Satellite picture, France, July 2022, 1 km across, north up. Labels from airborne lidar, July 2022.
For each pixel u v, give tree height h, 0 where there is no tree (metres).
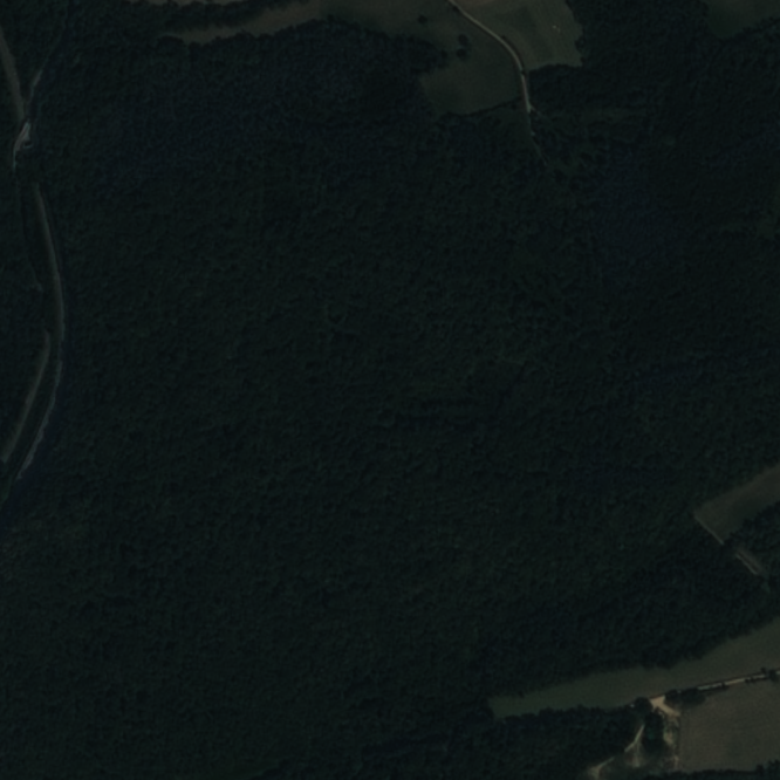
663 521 15
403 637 14
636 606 21
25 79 10
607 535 17
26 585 13
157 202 20
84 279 22
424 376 17
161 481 12
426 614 16
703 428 16
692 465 16
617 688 0
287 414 17
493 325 14
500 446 18
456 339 18
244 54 16
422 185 17
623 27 14
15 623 15
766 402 15
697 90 13
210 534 14
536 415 21
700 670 0
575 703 0
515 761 18
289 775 19
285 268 16
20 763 16
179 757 14
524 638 20
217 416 19
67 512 18
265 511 19
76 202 20
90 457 16
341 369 17
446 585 13
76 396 18
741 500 0
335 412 20
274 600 21
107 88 15
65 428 23
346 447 20
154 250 13
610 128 8
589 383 21
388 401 20
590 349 25
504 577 18
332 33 18
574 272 26
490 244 13
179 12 10
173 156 25
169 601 29
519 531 17
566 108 15
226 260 15
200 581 18
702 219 16
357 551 18
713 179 14
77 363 23
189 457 14
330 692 18
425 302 12
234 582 14
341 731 20
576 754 11
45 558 17
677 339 8
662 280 16
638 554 19
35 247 22
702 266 16
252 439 15
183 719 15
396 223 17
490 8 0
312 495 19
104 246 16
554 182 20
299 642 12
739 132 14
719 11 0
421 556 18
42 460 17
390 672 21
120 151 6
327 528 22
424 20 14
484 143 14
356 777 29
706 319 17
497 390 6
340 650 14
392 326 17
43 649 14
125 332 20
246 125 25
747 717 0
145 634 14
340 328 16
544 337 16
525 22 0
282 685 16
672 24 21
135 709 13
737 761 0
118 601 22
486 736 17
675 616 15
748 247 12
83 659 16
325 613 17
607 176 24
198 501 17
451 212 17
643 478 23
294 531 17
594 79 17
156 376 22
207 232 15
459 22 0
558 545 15
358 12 0
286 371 17
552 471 18
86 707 17
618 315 10
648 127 19
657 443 20
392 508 19
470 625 15
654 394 14
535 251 23
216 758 18
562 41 0
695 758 0
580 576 15
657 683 0
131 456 21
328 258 17
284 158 7
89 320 18
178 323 17
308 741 17
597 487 26
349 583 15
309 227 15
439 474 18
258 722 16
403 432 22
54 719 18
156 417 19
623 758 0
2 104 7
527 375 15
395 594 14
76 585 11
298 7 0
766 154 13
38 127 11
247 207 12
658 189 16
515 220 15
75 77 17
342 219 15
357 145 20
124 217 17
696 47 25
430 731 12
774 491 0
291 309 19
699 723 0
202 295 14
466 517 16
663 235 6
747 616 22
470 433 15
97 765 9
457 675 19
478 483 19
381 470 17
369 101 10
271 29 0
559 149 18
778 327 11
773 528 12
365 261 17
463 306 14
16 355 28
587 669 22
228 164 19
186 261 18
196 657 19
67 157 16
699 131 16
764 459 16
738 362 23
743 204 13
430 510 15
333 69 15
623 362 17
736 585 15
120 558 17
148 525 19
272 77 21
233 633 15
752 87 15
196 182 19
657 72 12
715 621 17
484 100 0
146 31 18
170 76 19
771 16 0
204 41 0
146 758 14
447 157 15
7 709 16
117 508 19
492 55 0
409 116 22
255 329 19
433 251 16
